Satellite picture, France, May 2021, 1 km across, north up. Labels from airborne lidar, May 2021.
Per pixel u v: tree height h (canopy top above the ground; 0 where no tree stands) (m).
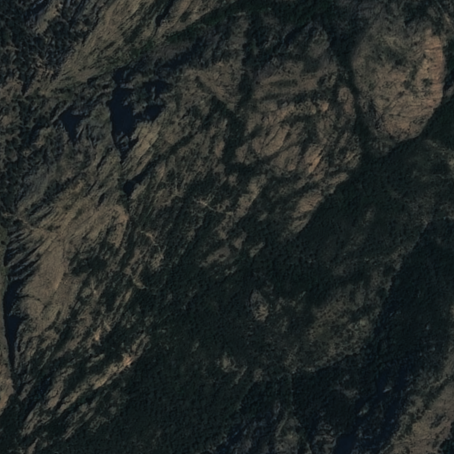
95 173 0
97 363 7
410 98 0
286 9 14
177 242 14
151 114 0
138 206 8
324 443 7
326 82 7
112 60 10
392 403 7
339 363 12
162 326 15
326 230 18
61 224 0
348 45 16
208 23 12
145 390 24
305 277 16
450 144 12
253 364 21
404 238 19
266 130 0
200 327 22
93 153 0
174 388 19
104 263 11
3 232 0
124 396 12
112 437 19
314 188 7
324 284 17
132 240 14
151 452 8
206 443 22
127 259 10
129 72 11
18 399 12
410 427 10
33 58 20
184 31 8
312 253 22
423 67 0
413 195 22
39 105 7
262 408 13
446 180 10
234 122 8
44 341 6
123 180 13
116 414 13
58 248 0
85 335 8
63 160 0
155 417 18
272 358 17
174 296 9
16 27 22
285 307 6
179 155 0
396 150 22
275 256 23
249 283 22
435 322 6
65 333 11
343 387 6
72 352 13
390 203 26
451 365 0
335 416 8
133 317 9
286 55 13
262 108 0
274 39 6
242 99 7
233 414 19
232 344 22
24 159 10
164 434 9
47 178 0
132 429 19
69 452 22
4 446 13
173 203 12
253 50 23
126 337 11
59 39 11
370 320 10
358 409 10
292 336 19
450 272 10
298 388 14
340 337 6
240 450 0
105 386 16
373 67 0
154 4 8
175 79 8
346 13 10
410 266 8
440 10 13
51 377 9
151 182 7
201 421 13
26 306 0
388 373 8
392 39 0
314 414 10
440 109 13
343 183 11
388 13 8
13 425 9
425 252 8
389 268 7
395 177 25
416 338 13
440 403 0
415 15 9
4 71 6
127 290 16
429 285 8
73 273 6
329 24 13
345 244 14
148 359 11
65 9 10
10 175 20
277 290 16
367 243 10
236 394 21
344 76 8
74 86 10
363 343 9
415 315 6
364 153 7
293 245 23
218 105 12
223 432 29
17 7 20
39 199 0
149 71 8
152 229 14
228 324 21
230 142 11
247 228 26
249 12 11
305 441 7
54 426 8
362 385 12
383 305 7
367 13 0
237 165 11
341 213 17
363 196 29
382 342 12
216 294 19
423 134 8
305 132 7
